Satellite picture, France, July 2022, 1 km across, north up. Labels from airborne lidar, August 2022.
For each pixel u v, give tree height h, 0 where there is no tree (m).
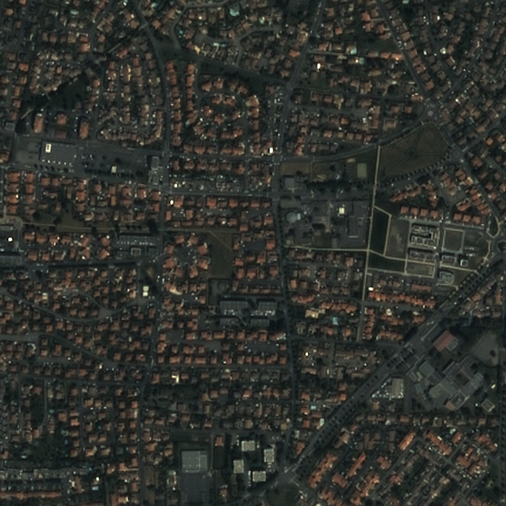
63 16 0
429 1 7
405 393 0
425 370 0
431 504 7
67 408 12
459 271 0
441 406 0
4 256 0
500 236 0
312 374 6
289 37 11
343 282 0
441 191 0
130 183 0
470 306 0
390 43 0
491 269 7
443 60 10
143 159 0
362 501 6
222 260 0
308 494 0
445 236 0
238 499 6
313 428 0
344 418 8
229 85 12
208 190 0
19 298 0
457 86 0
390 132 0
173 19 0
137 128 0
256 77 0
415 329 9
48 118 7
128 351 0
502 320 7
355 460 0
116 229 7
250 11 6
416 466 0
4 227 0
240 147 0
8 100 0
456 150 0
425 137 0
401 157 0
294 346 6
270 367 0
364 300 0
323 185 10
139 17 7
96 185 0
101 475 6
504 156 8
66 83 7
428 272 0
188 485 0
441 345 0
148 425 0
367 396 0
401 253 0
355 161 0
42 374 7
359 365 0
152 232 12
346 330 0
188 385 6
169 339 0
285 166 0
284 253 6
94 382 0
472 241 0
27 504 9
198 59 0
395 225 0
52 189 6
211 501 8
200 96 0
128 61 0
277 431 9
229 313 0
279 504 0
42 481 13
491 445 0
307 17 8
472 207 6
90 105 0
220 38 7
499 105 0
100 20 0
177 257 0
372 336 5
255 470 0
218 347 0
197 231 0
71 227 0
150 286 10
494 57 5
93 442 0
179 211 0
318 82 0
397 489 7
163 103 6
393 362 6
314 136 0
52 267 6
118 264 6
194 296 0
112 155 0
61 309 13
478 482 0
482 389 5
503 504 0
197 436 0
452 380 0
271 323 9
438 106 0
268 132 0
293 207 0
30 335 0
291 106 0
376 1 0
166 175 0
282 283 0
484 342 0
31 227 8
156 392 8
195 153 7
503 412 8
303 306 7
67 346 0
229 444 8
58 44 8
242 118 0
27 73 6
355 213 0
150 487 10
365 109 0
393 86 5
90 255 7
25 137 0
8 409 8
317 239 0
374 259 0
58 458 8
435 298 10
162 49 0
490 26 0
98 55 8
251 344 0
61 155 0
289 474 0
